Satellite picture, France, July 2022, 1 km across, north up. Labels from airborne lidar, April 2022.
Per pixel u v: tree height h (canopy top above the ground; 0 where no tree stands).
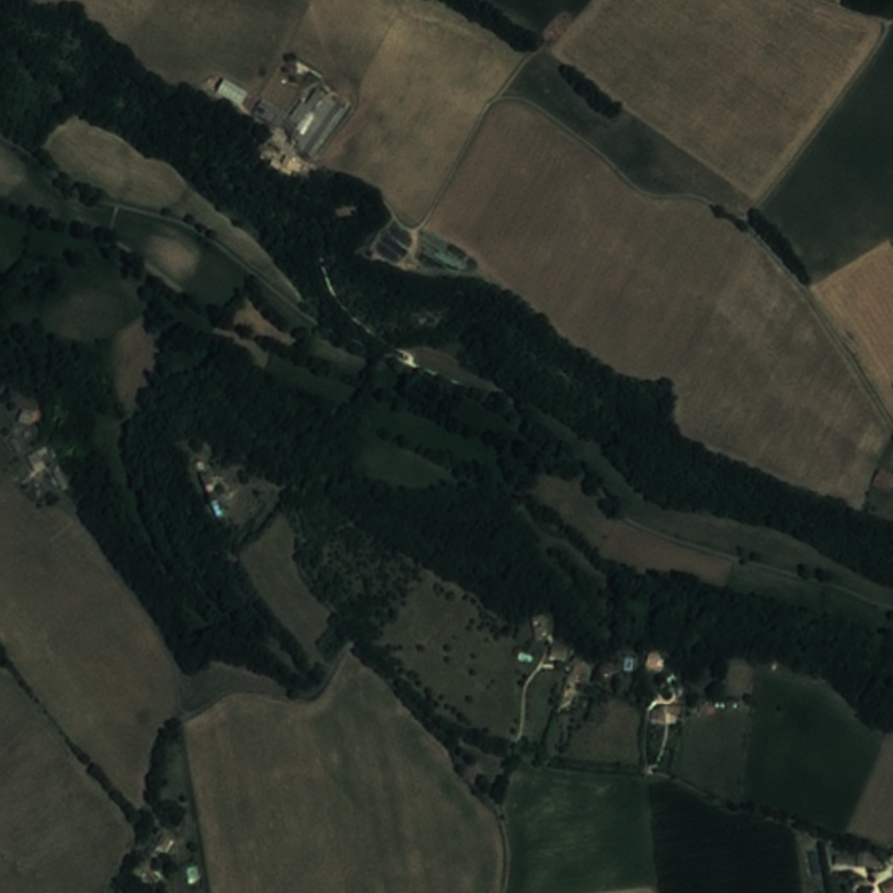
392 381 0
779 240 12
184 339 24
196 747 0
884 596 0
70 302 0
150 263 0
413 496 19
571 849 0
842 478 0
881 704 19
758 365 0
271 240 8
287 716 0
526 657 0
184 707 0
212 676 0
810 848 0
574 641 6
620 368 0
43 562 0
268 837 0
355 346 14
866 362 0
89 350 20
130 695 0
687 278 0
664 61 0
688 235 0
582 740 0
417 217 0
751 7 0
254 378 18
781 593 0
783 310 0
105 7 0
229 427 18
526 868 0
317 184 14
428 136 0
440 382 14
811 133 0
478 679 0
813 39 0
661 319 0
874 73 0
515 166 0
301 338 14
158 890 10
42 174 0
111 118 16
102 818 0
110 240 28
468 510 20
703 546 0
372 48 0
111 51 11
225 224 0
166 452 15
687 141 0
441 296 8
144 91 6
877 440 0
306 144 0
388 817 0
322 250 9
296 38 0
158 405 17
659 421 13
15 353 7
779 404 0
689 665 20
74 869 0
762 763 0
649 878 0
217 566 14
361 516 14
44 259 10
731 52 0
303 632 0
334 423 19
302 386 0
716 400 0
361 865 0
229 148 16
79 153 0
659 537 0
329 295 12
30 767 0
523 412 15
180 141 17
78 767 0
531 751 6
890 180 0
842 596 0
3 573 0
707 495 11
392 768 0
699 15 0
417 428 0
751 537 0
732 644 15
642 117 0
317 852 0
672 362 0
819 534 16
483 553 17
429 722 9
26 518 0
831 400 0
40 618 0
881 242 0
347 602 7
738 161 0
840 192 0
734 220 9
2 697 0
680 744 0
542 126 0
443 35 0
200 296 0
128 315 0
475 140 0
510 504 17
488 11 14
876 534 14
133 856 6
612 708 0
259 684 0
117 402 15
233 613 13
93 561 0
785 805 0
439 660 0
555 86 0
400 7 0
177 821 6
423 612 0
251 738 0
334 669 0
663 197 0
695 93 0
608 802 0
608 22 0
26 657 0
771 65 0
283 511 8
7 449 0
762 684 0
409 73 0
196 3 0
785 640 20
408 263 0
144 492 17
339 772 0
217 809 0
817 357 0
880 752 0
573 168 0
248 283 7
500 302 13
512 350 11
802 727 0
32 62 13
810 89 0
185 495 14
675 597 22
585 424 17
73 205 0
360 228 15
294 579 0
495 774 0
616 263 0
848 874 9
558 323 0
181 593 19
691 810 6
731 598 9
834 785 0
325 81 0
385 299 8
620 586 22
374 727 0
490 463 0
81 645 0
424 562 10
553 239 0
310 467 21
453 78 0
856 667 15
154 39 0
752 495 15
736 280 0
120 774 0
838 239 0
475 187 0
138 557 15
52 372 16
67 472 8
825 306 0
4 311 20
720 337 0
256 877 0
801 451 0
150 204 0
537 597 13
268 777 0
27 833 0
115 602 0
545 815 0
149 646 0
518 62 0
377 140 0
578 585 7
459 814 0
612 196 0
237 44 0
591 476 16
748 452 0
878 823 0
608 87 0
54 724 0
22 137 11
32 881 0
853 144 0
